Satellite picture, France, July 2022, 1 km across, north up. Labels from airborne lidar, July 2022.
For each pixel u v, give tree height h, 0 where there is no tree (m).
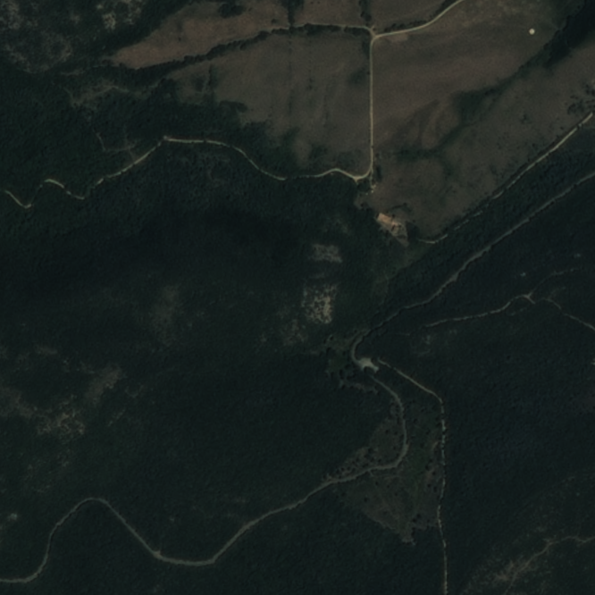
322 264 7
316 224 9
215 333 6
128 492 7
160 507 7
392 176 0
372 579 13
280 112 0
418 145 0
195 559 7
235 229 13
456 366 6
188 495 7
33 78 13
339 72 0
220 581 8
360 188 12
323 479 9
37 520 9
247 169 7
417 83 0
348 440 7
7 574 8
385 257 7
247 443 8
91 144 9
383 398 10
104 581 8
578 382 6
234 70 0
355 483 9
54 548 11
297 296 6
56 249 14
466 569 5
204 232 8
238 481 8
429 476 0
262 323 7
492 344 8
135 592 8
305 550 11
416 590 9
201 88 0
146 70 10
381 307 6
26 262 12
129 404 7
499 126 0
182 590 8
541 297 6
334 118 0
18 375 7
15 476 7
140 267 6
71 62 6
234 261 7
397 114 0
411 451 8
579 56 0
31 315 7
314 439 8
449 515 10
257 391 6
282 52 0
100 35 6
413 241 12
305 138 0
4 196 10
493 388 7
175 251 7
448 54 0
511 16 0
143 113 8
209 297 6
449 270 11
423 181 0
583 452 8
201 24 0
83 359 6
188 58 12
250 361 9
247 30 0
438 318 7
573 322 7
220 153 6
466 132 0
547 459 10
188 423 7
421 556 7
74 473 8
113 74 6
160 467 7
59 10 6
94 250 10
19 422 7
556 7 0
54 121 7
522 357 6
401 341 7
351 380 17
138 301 5
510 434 13
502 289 7
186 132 7
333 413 8
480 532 5
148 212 6
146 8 8
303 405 8
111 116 7
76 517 13
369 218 9
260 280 6
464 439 6
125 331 8
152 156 7
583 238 7
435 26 0
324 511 10
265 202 9
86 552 12
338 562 8
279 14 0
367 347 7
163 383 7
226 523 6
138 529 8
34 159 8
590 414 7
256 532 9
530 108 0
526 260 6
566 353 6
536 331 7
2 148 9
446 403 8
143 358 6
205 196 6
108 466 7
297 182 9
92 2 9
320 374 14
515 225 9
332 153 0
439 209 0
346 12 0
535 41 0
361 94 0
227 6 9
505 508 6
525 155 0
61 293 6
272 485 7
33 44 7
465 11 0
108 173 6
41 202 11
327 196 9
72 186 7
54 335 6
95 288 6
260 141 7
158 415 6
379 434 0
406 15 0
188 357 10
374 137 0
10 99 8
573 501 5
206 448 7
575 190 8
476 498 8
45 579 9
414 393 7
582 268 6
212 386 10
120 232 8
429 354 6
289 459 8
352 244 9
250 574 10
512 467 6
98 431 9
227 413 8
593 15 19
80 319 9
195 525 6
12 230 17
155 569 5
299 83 0
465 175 0
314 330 6
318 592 8
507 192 11
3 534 6
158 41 0
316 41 0
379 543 9
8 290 10
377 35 0
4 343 8
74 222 9
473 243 6
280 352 7
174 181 7
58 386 7
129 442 8
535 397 9
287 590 9
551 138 0
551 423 8
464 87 0
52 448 9
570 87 0
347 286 8
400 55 0
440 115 0
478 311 6
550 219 6
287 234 13
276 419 8
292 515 7
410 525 0
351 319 6
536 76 0
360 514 6
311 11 0
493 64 0
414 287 7
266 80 0
